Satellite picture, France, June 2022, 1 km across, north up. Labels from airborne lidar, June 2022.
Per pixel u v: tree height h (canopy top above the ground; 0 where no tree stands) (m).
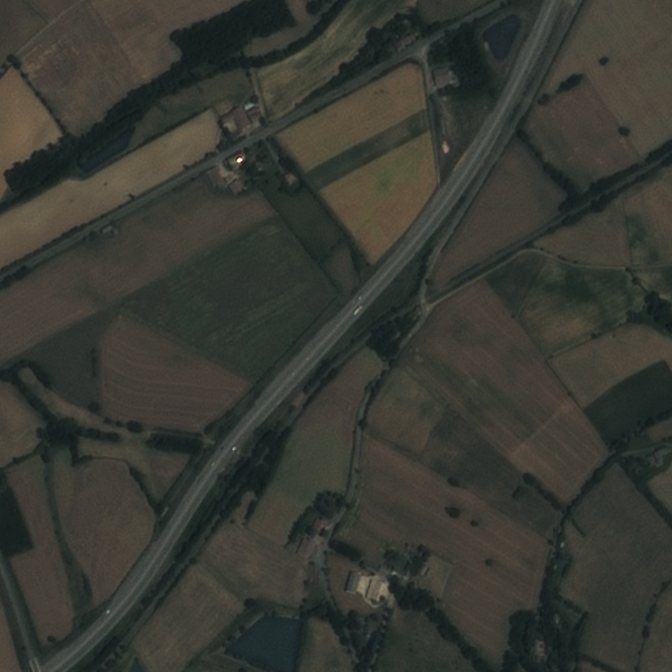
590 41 0
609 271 0
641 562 0
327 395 0
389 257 0
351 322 0
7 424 0
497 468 0
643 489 12
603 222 0
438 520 0
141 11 0
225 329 0
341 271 0
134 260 0
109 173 0
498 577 0
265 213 0
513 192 0
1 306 0
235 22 18
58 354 0
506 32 0
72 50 0
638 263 0
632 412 0
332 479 0
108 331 0
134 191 0
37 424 0
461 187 0
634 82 0
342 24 0
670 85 0
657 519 0
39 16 0
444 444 0
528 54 0
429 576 0
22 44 0
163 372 0
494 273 0
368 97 0
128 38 0
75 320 0
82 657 0
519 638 16
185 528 0
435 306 0
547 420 0
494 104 0
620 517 0
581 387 0
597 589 0
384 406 0
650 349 0
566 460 0
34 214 0
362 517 0
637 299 0
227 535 0
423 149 0
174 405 0
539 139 0
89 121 0
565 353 0
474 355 0
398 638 0
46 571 0
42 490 0
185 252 0
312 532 11
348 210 0
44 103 13
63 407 0
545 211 0
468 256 0
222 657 0
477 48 13
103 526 0
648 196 0
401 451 0
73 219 0
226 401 0
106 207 0
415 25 10
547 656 6
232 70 12
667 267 0
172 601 0
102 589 0
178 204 0
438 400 0
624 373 0
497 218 0
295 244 0
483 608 0
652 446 0
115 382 0
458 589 0
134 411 0
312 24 0
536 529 0
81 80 0
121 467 0
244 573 0
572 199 15
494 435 0
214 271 0
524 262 0
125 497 0
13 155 0
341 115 0
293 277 0
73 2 0
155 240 0
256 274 0
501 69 0
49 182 17
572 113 0
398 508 0
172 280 0
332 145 0
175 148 0
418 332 0
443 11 0
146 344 0
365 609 0
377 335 25
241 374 0
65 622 0
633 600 0
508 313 0
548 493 8
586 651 0
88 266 0
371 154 0
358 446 0
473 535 0
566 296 0
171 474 0
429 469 0
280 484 0
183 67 19
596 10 0
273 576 0
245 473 10
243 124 0
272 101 0
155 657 0
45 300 0
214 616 0
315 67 0
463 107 0
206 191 0
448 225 0
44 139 0
